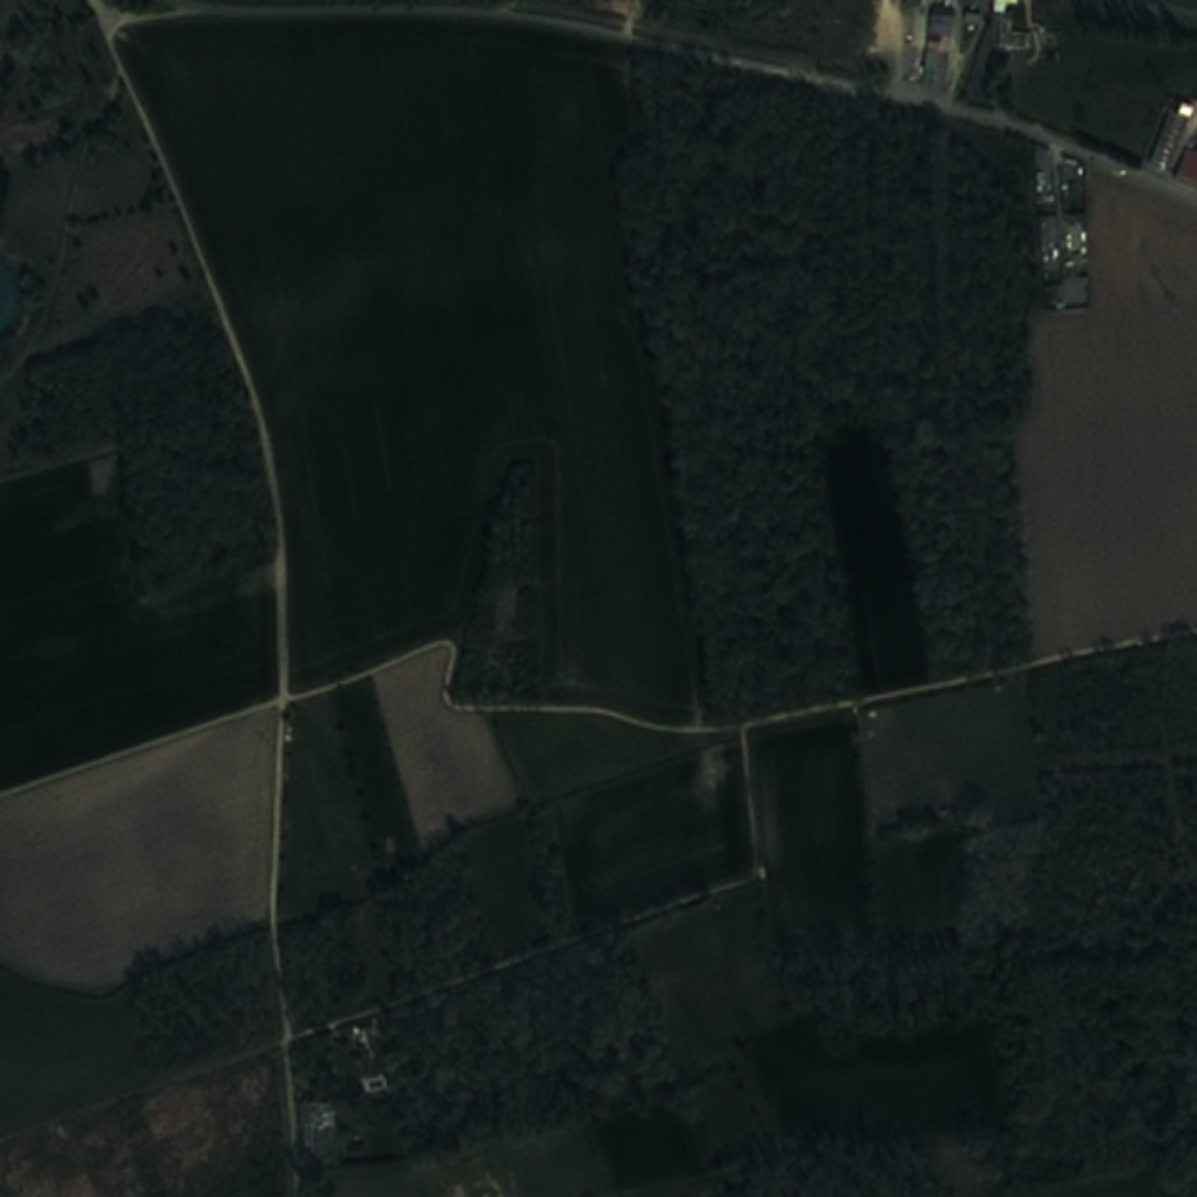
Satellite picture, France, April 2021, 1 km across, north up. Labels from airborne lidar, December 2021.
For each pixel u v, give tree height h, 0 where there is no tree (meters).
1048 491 0
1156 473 0
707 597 24
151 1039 22
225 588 0
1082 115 12
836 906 0
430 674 0
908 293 25
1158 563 0
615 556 0
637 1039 7
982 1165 31
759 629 20
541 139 0
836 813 0
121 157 0
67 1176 0
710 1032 0
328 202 0
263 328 0
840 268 20
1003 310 23
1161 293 0
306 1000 16
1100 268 0
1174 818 8
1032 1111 28
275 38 0
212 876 0
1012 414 28
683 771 0
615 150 0
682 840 0
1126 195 0
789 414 24
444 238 0
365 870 0
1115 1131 25
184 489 26
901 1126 0
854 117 23
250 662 0
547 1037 23
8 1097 0
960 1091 0
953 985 24
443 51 0
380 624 0
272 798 0
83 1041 0
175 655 0
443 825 0
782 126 19
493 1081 26
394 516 0
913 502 22
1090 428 0
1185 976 23
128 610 0
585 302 0
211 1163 0
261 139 0
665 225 7
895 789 0
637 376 0
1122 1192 0
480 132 0
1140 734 11
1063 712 6
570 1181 0
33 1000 0
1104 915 9
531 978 19
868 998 29
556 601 0
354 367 0
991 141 0
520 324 0
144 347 24
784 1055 0
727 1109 0
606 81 0
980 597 24
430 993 21
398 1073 11
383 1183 0
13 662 0
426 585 0
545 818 7
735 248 20
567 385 0
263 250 0
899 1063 0
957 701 0
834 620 25
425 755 0
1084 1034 35
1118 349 0
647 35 0
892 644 0
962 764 0
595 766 0
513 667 6
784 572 22
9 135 0
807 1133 0
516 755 0
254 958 29
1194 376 0
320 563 0
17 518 0
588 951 20
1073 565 0
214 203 0
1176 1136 34
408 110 0
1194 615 0
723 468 21
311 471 0
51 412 15
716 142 25
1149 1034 31
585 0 0
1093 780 6
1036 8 0
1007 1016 25
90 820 0
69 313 0
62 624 0
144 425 25
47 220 0
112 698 0
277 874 0
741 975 0
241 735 0
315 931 16
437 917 26
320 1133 0
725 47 0
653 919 13
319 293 0
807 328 26
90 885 0
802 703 18
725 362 23
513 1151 0
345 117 0
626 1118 0
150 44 0
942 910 0
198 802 0
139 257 0
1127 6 0
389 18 0
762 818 0
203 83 0
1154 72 0
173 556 23
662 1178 0
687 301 21
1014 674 18
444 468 0
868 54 0
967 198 21
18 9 0
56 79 8
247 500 25
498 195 0
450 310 0
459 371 0
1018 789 0
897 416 14
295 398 0
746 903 0
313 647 0
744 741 0
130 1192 0
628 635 0
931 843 0
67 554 0
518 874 0
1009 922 9
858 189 20
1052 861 7
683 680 0
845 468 0
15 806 0
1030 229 14
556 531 0
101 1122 0
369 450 0
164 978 23
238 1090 0
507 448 0
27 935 0
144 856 0
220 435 26
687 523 22
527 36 0
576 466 0
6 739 0
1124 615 0
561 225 0
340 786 0
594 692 0
